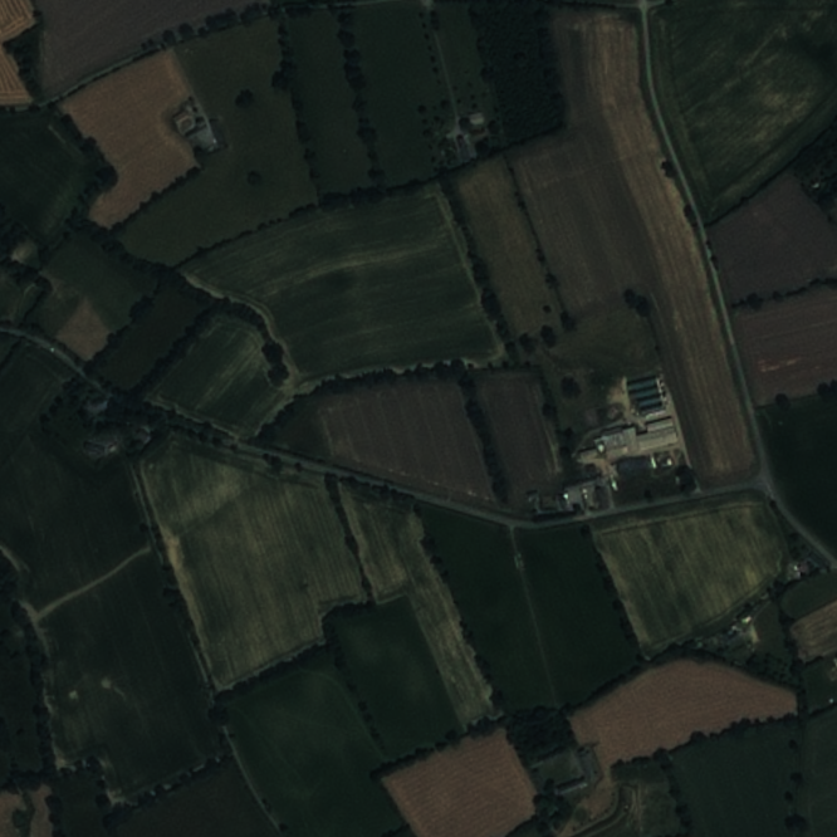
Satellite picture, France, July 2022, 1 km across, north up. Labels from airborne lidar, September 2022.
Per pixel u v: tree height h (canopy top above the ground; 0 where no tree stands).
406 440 0
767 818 0
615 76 0
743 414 0
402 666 0
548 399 8
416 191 10
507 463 0
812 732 0
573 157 0
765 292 0
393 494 11
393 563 0
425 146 0
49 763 15
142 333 0
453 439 0
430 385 0
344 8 6
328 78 0
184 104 0
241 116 0
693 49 0
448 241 0
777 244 0
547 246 0
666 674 0
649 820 0
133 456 14
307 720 0
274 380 17
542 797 11
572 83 0
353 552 10
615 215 0
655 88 0
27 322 7
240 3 0
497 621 0
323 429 0
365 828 0
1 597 17
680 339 0
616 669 0
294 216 7
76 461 0
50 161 0
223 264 0
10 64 0
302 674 0
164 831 0
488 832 0
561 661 0
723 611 0
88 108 0
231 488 0
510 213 0
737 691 0
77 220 18
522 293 0
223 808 0
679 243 0
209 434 11
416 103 0
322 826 0
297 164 0
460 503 0
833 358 0
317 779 0
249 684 11
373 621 0
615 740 0
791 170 6
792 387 0
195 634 6
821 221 0
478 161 6
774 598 11
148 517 6
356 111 15
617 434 0
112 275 0
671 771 12
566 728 14
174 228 0
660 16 0
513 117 7
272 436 16
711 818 0
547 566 0
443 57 0
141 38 0
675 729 0
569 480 0
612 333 0
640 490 0
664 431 0
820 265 0
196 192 0
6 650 6
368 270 0
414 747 0
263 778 0
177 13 0
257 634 0
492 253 0
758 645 0
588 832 0
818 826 0
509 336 16
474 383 23
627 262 0
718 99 0
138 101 0
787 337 0
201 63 0
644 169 0
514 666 0
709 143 0
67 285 0
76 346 0
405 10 0
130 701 0
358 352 0
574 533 0
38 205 0
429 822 0
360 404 0
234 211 0
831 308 0
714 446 0
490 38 7
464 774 0
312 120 0
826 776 0
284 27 9
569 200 0
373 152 8
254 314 12
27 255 0
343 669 18
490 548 0
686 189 0
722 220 10
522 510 0
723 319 0
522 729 16
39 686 15
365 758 0
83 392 7
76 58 0
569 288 0
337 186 0
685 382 0
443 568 18
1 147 0
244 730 0
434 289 0
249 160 0
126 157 0
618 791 0
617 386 0
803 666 11
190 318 0
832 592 0
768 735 0
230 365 0
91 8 0
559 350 0
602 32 0
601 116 0
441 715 0
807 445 0
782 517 7
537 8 12
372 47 0
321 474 0
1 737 16
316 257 0
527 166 0
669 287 0
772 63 0
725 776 0
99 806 16
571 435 15
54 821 18
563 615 0
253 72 0
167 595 13
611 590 17
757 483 0
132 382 0
